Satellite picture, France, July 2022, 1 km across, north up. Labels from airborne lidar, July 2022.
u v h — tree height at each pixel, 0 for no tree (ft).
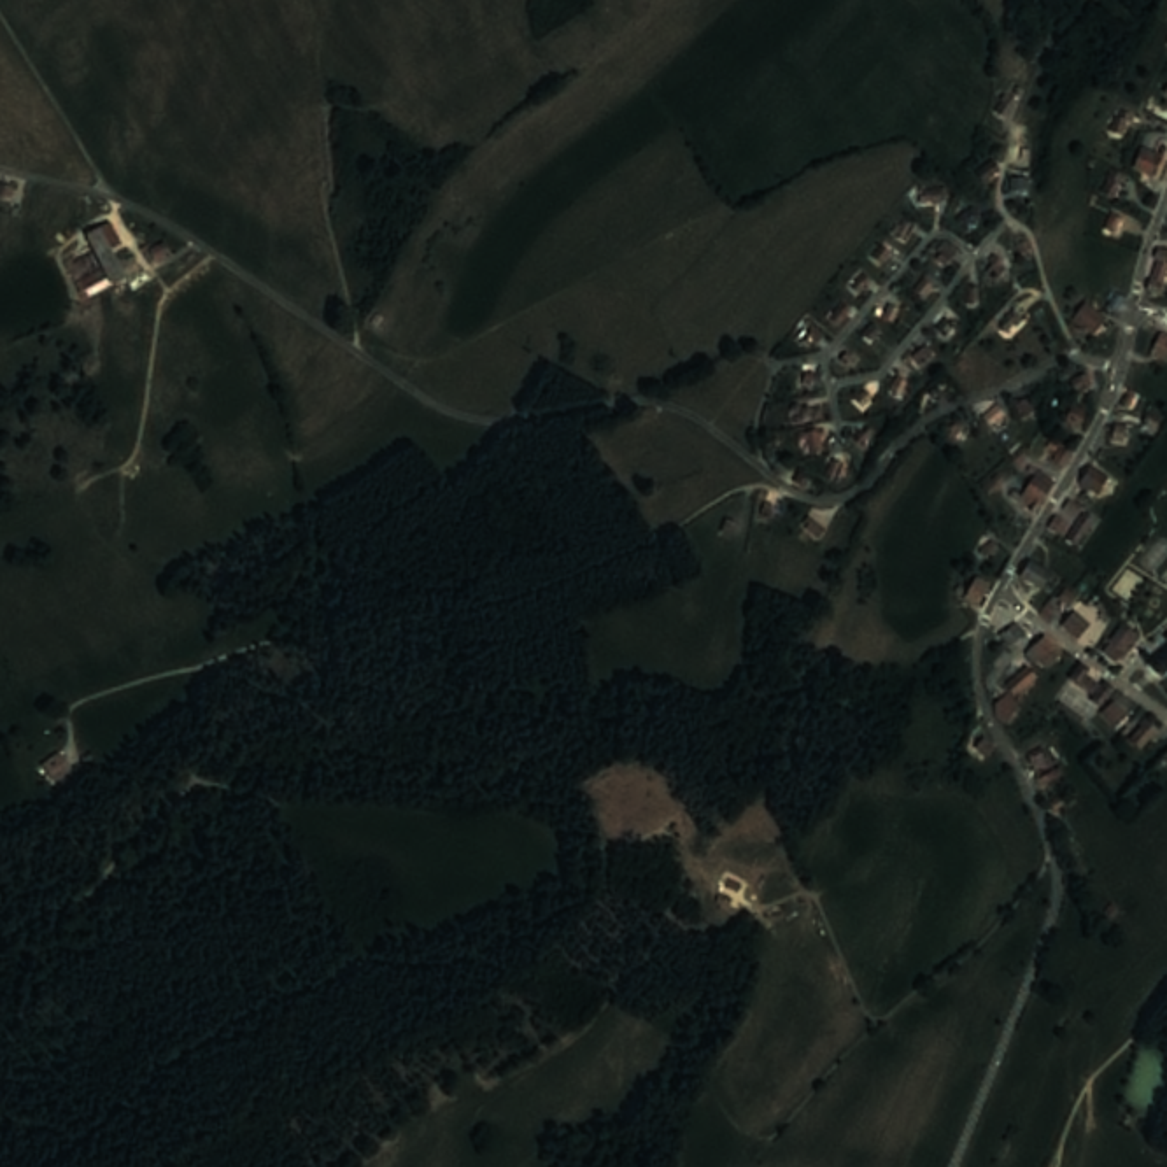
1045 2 46
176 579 58
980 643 0
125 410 0
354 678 84
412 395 0
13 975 32
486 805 31
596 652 0
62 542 0
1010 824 0
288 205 0
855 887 0
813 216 0
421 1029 66
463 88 0
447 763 33
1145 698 0
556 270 0
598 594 70
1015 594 0
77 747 0
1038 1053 0
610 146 0
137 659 0
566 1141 85
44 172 0
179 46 0
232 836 90
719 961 88
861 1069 0
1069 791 22
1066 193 0
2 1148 81
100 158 0
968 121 0
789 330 0
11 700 0
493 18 0
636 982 74
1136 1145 0
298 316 0
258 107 0
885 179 0
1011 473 0
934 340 0
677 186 0
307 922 56
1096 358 0
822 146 0
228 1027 54
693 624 0
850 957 0
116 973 43
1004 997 0
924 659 21
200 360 0
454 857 0
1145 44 26
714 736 85
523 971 60
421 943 59
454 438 0
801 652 100
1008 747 0
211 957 65
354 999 57
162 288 0
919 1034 0
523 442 67
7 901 79
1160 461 0
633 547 68
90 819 47
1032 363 43
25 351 0
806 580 0
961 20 0
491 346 0
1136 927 0
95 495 0
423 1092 39
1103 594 18
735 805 67
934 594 0
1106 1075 0
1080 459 0
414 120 0
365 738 40
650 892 65
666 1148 125
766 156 0
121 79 0
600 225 0
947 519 0
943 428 30
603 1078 0
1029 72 0
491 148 0
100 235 0
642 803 0
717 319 0
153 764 56
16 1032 68
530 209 0
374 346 0
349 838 0
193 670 0
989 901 0
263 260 0
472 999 72
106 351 0
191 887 45
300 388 0
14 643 0
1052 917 0
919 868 0
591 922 51
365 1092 52
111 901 63
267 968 64
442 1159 0
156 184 0
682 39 0
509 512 45
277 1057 54
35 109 0
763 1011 0
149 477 0
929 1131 0
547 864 0
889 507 0
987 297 0
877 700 56
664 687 90
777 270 0
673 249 0
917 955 0
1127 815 60
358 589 98
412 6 0
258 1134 36
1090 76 22
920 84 0
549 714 72
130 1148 61
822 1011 0
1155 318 0
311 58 0
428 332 0
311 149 0
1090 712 0
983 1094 0
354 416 0
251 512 0
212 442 0
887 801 0
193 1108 56
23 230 0
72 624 0
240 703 33
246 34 0
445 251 0
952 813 0
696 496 0
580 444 64
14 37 0
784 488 0
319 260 0
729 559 0
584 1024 36
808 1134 0
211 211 0
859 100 0
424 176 20
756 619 60
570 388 70
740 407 0
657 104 0
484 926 62
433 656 97
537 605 73
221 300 0
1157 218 0
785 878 0
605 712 49
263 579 78
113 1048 59
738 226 0
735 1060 0
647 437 0
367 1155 70
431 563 68
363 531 70
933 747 0
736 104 0
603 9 0
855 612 0
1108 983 0
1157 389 0
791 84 0
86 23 0
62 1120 71
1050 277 0
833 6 0
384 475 80
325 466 0
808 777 117
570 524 68
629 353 0
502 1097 0
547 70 0
